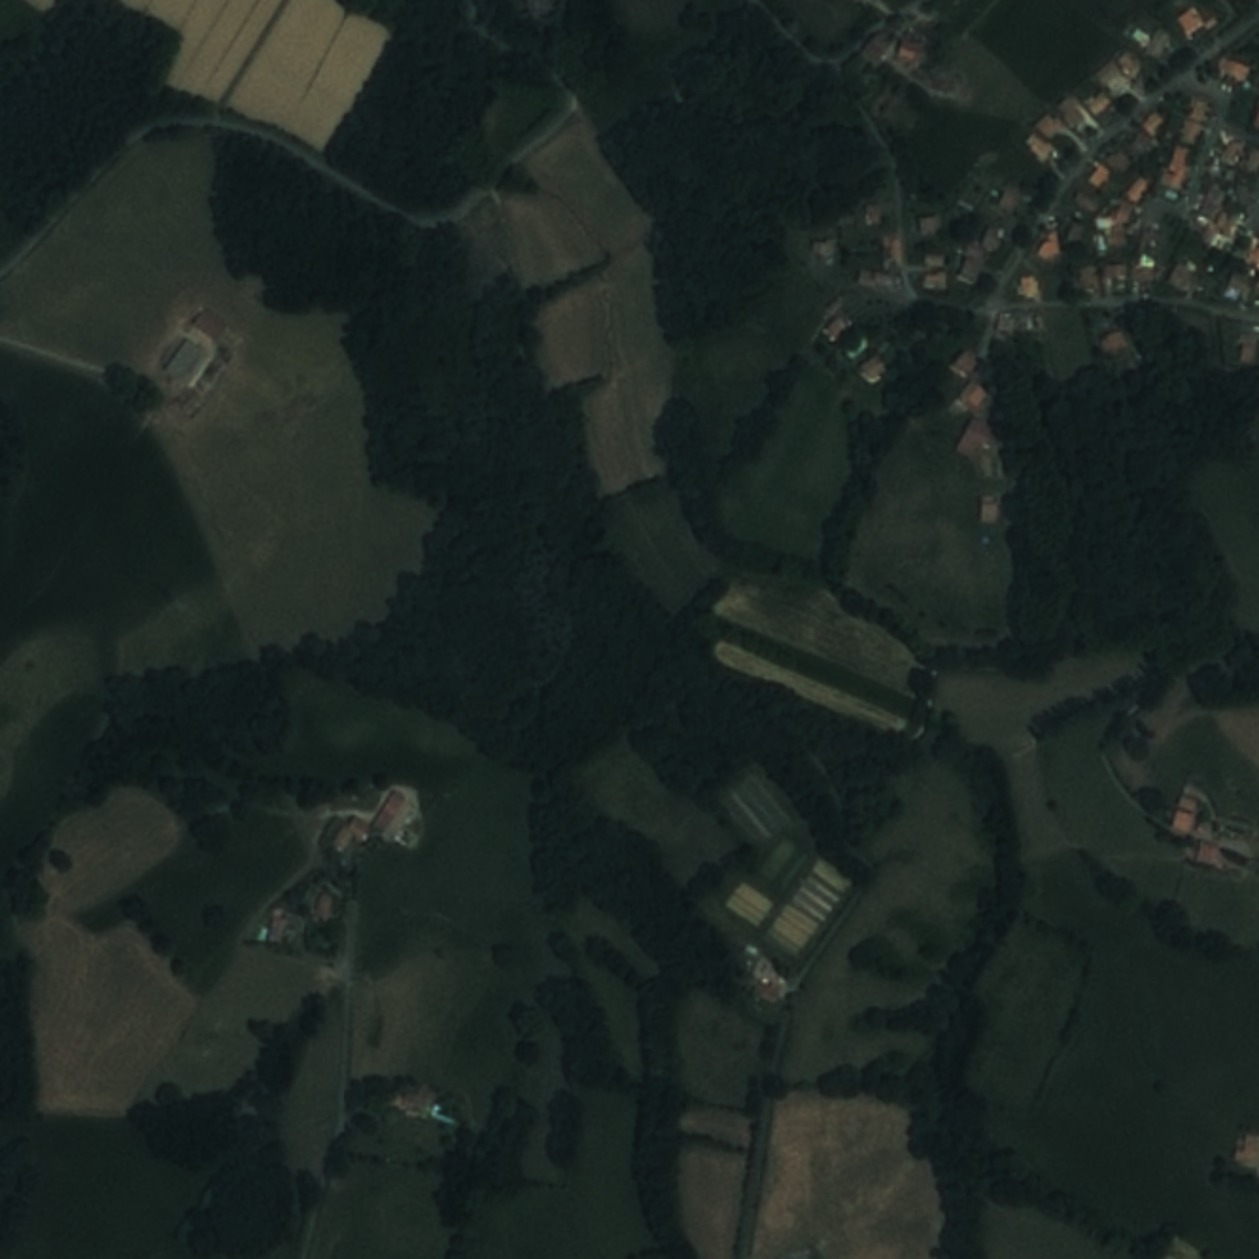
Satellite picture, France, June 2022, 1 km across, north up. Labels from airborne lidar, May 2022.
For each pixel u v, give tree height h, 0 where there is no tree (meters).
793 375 12
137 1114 16
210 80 0
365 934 0
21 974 11
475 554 19
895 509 0
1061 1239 0
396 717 0
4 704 0
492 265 0
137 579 0
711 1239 0
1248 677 16
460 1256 13
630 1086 16
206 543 0
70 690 0
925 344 8
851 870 16
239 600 0
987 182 0
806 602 0
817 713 12
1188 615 27
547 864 18
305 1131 0
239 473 0
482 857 0
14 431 24
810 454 0
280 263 18
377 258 16
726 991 16
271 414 0
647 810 0
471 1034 0
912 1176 0
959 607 0
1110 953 0
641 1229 0
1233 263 14
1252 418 13
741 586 0
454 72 18
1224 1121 0
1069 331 0
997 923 14
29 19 0
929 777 0
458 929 0
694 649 17
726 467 11
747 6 11
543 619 25
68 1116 0
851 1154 0
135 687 21
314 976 0
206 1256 17
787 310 0
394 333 9
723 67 26
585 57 25
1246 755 0
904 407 25
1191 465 23
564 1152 19
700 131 24
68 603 0
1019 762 0
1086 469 22
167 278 0
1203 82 7
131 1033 0
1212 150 0
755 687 13
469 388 7
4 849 0
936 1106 13
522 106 0
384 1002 0
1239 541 0
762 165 28
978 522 0
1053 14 0
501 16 24
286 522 0
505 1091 14
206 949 0
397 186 24
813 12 0
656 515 0
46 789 0
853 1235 0
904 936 0
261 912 0
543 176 0
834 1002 0
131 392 19
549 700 21
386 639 20
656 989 17
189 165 0
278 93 0
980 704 0
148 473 0
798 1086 6
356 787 15
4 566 0
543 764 19
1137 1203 0
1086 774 0
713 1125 0
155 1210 0
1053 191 12
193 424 0
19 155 29
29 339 0
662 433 21
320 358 0
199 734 17
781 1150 0
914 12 0
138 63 25
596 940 8
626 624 21
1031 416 28
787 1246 0
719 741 14
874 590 0
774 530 0
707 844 0
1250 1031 0
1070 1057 0
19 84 8
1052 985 0
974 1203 23
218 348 0
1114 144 6
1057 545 28
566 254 0
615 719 19
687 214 29
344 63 0
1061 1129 0
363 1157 8
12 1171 17
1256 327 0
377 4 20
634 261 0
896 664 0
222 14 0
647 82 0
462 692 25
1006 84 0
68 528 0
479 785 0
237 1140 29
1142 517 15
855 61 8
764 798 0
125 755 25
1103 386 17
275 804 0
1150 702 25
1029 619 29
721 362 0
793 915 0
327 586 0
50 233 0
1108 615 24
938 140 0
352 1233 0
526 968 0
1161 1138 0
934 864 0
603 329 0
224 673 16
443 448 16
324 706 0
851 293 0
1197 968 0
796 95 25
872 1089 17
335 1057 0
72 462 0
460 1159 18
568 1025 15
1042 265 0
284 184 14
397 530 0
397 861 0
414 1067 0
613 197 0
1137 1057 0
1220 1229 0
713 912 0
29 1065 15
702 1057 0
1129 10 0
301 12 0
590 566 18
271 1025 10
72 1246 0
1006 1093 0
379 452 11
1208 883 0
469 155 28
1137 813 0
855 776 19
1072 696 0
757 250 30
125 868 0
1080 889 0
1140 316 28
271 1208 19
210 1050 0
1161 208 0
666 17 0
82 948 0
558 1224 0
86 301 0
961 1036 22
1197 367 31
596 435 0
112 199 0
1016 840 11
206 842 14
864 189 18
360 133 12
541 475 25
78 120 13
